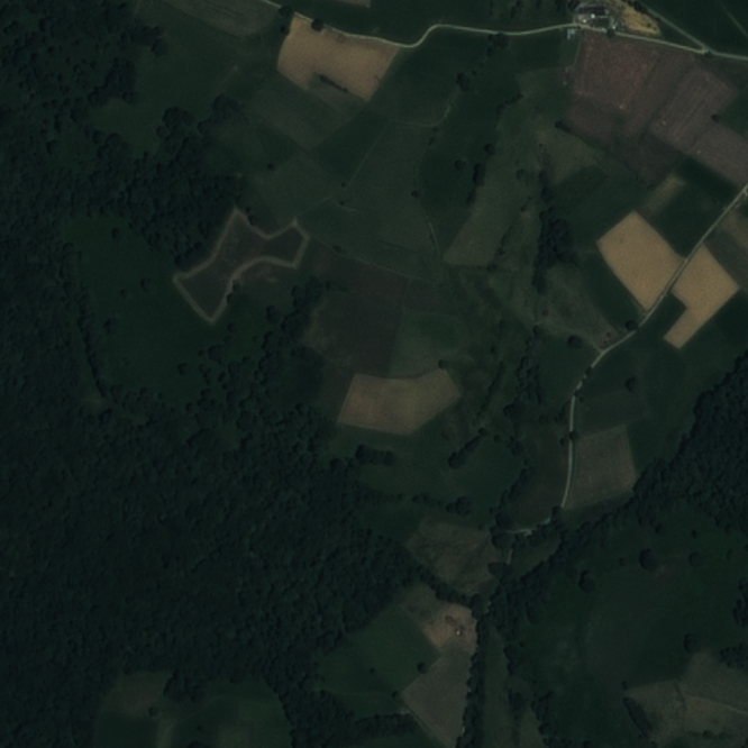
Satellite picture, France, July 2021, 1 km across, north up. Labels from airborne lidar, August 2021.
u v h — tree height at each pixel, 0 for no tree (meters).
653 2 0
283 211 0
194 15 0
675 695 0
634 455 0
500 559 0
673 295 0
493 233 0
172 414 21
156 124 0
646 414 0
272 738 0
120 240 11
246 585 18
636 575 0
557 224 17
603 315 0
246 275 0
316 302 12
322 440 31
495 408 0
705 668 0
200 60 0
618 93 0
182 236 17
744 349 0
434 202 0
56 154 23
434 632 0
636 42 0
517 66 0
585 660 0
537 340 12
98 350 19
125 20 22
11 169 8
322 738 27
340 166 0
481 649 9
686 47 0
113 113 0
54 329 25
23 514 22
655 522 15
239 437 0
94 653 28
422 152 0
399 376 0
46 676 25
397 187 0
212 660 27
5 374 22
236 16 0
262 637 26
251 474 16
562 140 0
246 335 0
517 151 0
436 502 7
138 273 0
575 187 0
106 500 21
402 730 21
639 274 0
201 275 0
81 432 25
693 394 0
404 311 0
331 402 0
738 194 0
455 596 17
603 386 0
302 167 0
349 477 26
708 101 0
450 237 0
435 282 0
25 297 27
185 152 14
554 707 15
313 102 0
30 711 27
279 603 26
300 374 0
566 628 0
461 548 0
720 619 0
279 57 0
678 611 0
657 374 0
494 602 15
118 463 23
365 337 0
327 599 25
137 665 27
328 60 0
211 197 23
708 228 0
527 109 0
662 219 0
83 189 19
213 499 28
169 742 0
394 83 0
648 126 0
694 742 0
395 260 0
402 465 0
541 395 14
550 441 0
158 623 28
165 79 0
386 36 0
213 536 21
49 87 13
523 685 0
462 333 0
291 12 14
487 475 0
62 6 26
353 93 0
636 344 0
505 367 9
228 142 0
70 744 17
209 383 16
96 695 27
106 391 20
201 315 0
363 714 0
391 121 0
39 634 29
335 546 19
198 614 27
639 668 0
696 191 0
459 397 0
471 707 8
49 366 27
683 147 0
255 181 0
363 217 0
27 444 26
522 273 0
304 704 28
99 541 26
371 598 26
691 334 0
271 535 25
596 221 0
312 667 24
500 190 0
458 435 0
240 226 0
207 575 27
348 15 0
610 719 0
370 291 0
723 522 20
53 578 27
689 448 26
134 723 0
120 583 28
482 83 0
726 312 0
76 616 23
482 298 0
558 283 0
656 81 0
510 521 18
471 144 0
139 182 23
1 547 24
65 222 15
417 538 0
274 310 19
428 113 0
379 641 0
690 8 0
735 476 22
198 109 0
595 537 22
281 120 0
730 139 0
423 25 0
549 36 0
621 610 0
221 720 0
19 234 31
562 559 22
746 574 0
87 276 0
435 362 0
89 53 0
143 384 0
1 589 30
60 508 30
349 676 0
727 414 20
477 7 0
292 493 26
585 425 0
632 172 0
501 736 0
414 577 15
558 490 0
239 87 0
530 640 0
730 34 0
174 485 27
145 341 0
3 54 9
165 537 28
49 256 15
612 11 0
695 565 9
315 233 0
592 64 0
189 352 0
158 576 28
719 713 0
